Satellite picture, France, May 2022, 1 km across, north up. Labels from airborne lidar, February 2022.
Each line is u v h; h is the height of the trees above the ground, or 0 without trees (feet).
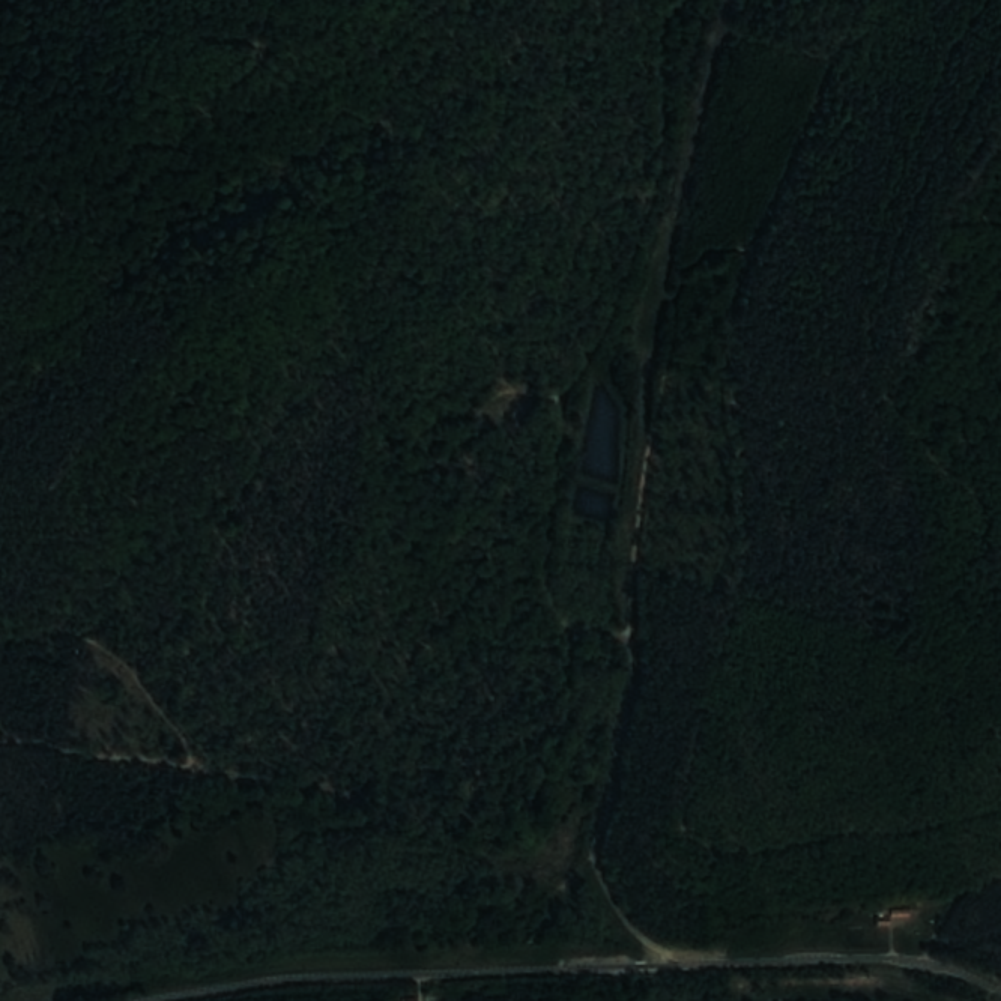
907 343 100
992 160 79
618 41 107
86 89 112
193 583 98
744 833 0
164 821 41
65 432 78
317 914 72
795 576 90
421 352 76
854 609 77
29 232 111
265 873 21
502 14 82
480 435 94
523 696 61
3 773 68
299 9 92
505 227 80
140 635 53
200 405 94
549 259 87
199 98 75
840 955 0
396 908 77
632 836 68
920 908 0
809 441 79
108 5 103
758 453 83
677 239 37
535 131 93
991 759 0
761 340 85
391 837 87
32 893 0
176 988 0
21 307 76
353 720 62
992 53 76
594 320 66
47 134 82
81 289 80
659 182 78
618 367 68
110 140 102
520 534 88
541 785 99
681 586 71
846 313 87
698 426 76
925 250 66
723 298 38
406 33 84
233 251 103
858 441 89
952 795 0
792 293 91
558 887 0
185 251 113
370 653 72
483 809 93
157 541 114
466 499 100
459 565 89
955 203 70
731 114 28
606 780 0
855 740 0
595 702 73
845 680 0
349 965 0
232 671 78
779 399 90
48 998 0
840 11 84
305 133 115
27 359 89
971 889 60
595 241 78
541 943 38
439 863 29
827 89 83
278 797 100
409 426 116
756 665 0
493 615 91
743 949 0
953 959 79
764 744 0
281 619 81
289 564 88
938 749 0
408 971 0
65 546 91
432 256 102
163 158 102
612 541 62
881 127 88
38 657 24
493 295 92
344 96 91
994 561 121
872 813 0
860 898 88
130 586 98
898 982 0
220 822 81
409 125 114
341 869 72
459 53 105
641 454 0
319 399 93
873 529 86
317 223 105
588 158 91
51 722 38
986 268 122
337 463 89
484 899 86
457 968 0
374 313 95
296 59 62
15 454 90
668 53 75
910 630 74
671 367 71
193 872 0
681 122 46
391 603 98
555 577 81
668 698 73
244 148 124
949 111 75
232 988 0
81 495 86
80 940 0
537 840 71
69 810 37
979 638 87
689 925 71
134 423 100
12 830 70
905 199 74
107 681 51
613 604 52
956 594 98
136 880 0
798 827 0
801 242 88
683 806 0
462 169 93
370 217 94
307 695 87
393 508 104
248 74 67
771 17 110
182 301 87
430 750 80
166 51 87
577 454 94
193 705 35
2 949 0
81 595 98
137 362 64
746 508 73
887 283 68
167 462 87
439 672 89
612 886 58
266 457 93
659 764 74
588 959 0
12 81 112
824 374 79
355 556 68
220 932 68
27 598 92
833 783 0
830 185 87
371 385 77
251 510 109
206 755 85
